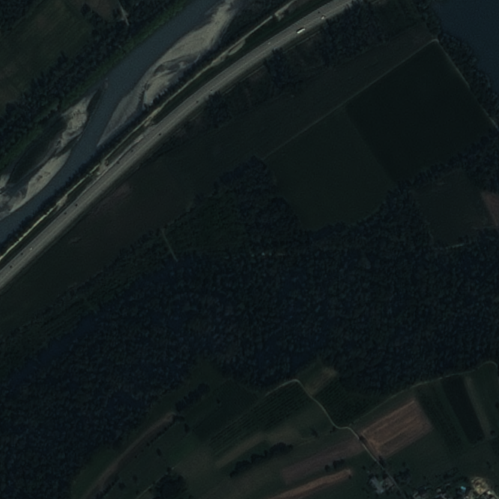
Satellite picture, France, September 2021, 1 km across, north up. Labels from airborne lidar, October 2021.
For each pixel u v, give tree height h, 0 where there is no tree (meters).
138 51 0
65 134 0
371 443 0
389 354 23
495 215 0
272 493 0
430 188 0
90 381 23
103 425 32
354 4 0
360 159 0
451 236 0
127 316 9
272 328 22
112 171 0
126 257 21
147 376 28
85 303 7
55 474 23
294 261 8
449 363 12
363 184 0
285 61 26
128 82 0
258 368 10
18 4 15
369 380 26
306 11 0
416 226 22
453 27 0
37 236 0
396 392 12
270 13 7
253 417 0
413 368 20
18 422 21
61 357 28
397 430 0
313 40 0
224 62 0
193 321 26
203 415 0
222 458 0
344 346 8
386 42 11
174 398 0
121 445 13
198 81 0
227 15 0
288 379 8
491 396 0
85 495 0
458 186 0
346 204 0
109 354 26
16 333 8
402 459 0
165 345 20
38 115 21
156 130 0
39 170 0
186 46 0
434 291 22
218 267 8
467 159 14
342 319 22
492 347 19
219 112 26
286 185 0
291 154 0
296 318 7
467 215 0
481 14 0
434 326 24
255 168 22
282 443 0
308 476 0
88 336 19
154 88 0
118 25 9
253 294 28
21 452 22
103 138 0
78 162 0
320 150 0
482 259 22
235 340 21
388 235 23
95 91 0
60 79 7
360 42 23
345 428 0
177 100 0
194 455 0
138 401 13
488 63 0
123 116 0
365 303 27
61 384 24
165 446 0
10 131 12
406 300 22
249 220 26
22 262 0
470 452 0
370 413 0
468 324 10
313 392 0
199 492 0
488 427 0
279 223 19
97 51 16
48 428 22
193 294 8
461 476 0
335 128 0
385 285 24
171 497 20
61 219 0
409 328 18
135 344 6
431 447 0
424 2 15
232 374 17
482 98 18
